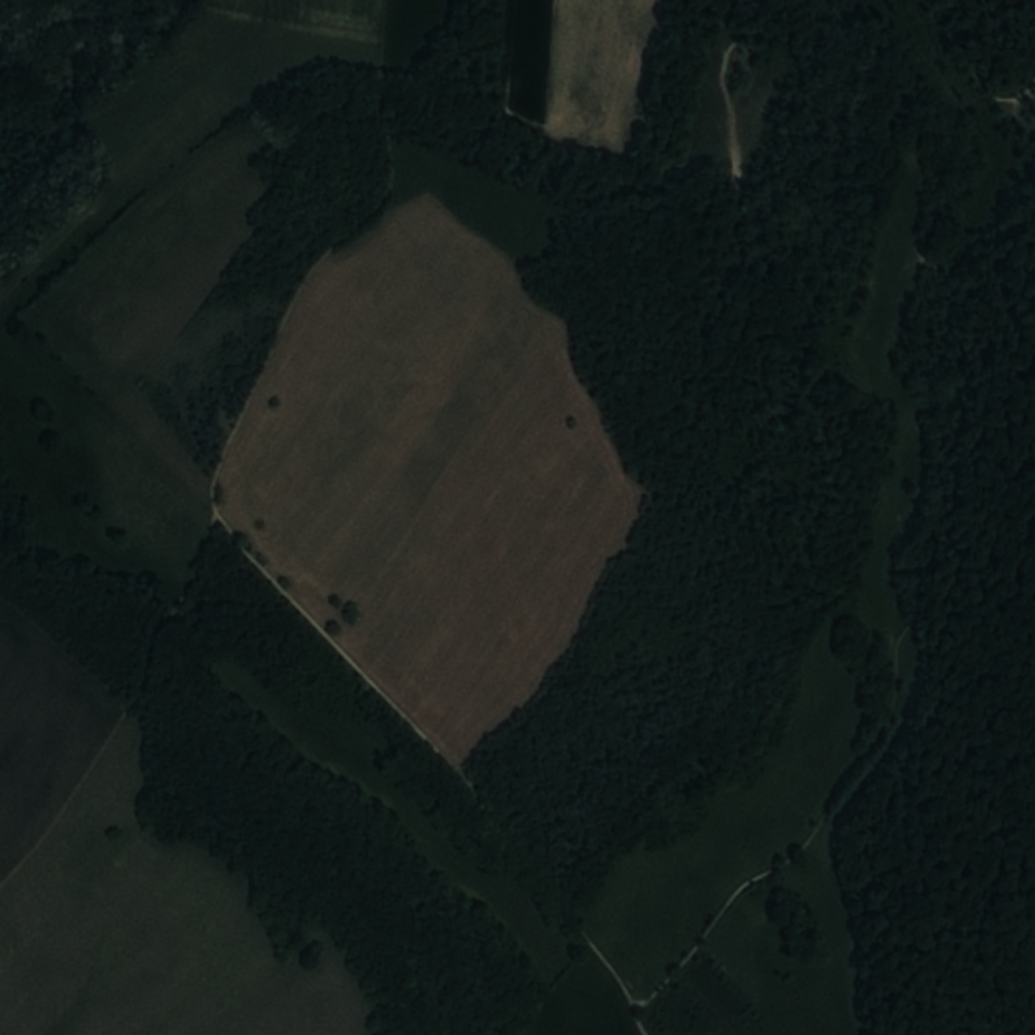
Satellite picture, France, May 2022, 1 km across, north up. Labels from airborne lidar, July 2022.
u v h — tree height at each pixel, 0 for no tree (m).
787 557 23
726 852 0
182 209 0
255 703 0
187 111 0
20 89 33
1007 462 28
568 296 15
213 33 0
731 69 0
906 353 24
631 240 21
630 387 19
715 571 13
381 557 0
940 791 30
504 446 0
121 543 14
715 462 11
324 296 0
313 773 25
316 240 11
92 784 0
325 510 0
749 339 28
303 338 0
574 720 13
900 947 29
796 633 29
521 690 0
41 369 0
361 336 0
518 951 10
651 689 11
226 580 9
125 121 0
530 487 0
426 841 0
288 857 19
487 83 17
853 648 27
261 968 0
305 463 0
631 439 12
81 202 26
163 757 18
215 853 11
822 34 24
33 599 13
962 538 34
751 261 23
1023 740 30
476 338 0
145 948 0
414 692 0
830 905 0
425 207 0
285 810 20
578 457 0
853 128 29
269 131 18
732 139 0
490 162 22
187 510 0
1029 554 30
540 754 13
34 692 0
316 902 16
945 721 33
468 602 0
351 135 21
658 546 7
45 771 0
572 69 0
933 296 25
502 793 17
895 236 0
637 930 0
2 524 16
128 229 0
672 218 27
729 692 10
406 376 0
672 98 27
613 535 0
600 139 0
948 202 25
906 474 0
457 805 19
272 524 0
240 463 0
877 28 27
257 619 7
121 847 0
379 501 0
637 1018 14
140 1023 0
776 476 10
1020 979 31
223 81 0
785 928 20
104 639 11
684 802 23
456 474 0
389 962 20
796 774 0
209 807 20
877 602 0
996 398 30
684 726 23
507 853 17
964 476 32
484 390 0
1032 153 8
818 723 0
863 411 26
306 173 12
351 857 22
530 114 0
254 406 0
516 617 0
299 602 0
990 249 32
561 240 19
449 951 23
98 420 0
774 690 20
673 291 21
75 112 24
